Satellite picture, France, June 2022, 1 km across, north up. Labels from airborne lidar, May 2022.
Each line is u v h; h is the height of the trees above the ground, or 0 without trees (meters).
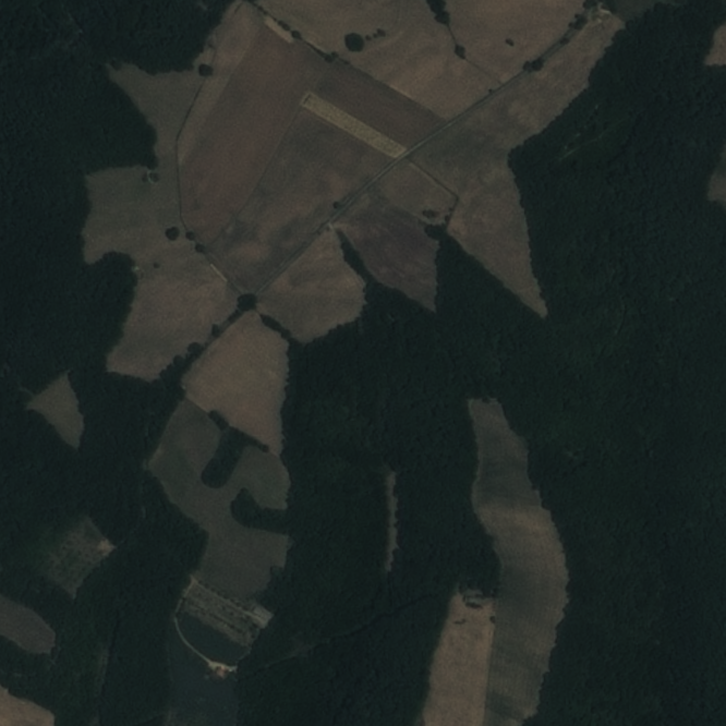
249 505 13
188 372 7
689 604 17
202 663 0
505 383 14
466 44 0
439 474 23
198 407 0
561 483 16
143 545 12
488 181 0
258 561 0
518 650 0
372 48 0
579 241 15
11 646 9
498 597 7
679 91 25
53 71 15
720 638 11
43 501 16
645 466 28
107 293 20
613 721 13
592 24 0
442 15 11
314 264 0
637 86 15
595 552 12
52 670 11
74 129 16
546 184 17
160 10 15
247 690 12
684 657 16
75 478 17
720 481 15
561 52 0
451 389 18
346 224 0
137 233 0
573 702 12
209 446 0
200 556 12
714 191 0
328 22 0
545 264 14
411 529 26
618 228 20
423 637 18
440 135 0
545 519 0
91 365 14
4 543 9
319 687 27
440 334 14
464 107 0
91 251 0
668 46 23
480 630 0
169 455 0
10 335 8
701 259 16
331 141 0
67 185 19
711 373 13
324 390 17
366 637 20
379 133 0
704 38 17
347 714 15
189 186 0
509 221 0
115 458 15
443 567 13
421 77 0
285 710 18
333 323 0
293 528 15
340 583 18
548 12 0
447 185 0
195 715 0
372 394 15
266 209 0
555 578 0
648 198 18
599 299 21
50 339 14
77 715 15
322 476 13
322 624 16
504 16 0
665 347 16
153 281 0
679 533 18
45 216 23
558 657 13
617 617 18
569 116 13
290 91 0
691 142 24
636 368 18
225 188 0
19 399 18
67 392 0
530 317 12
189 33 14
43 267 16
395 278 0
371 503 22
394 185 0
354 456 16
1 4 20
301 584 14
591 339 13
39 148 18
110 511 14
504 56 0
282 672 15
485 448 0
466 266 10
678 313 18
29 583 6
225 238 0
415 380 17
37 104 17
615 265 15
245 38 0
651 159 25
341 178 0
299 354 9
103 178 0
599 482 16
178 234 11
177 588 18
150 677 15
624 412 21
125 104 19
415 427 18
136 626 17
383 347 12
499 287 12
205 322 0
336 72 0
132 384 18
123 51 20
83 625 14
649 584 17
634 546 16
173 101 0
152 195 0
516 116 0
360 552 24
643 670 17
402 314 16
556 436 11
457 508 13
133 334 0
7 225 22
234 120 0
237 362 0
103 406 18
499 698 0
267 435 0
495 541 8
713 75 22
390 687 23
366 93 0
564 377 19
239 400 0
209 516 0
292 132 0
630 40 8
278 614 12
